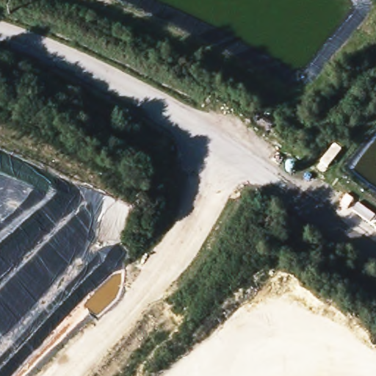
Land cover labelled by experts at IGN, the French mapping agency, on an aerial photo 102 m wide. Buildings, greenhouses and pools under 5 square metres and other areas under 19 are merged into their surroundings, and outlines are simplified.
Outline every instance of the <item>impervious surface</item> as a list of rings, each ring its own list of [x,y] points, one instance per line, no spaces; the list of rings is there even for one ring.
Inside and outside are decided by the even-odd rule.
[[[122,303],[117,305],[115,310],[106,314],[101,313],[98,314],[95,326],[90,326],[84,333],[75,336],[54,357],[47,370],[38,373],[37,376],[91,376],[103,364],[107,351],[137,326],[142,311],[148,310],[147,305],[166,298],[178,291],[176,279],[197,256],[228,198],[239,198],[245,184],[263,185],[279,181],[279,154],[279,153],[272,153],[267,142],[257,137],[251,126],[242,125],[241,120],[234,115],[201,112],[197,109],[181,103],[172,95],[145,84],[115,66],[95,59],[90,54],[47,38],[50,28],[47,26],[35,25],[26,32],[21,26],[0,22],[0,50],[7,51],[16,59],[29,63],[46,75],[65,76],[70,84],[70,91],[79,93],[84,90],[106,98],[113,109],[117,107],[122,112],[125,122],[140,123],[137,131],[120,129],[115,138],[122,141],[128,150],[134,148],[150,157],[154,170],[147,189],[148,200],[159,200],[159,206],[154,207],[160,211],[159,220],[164,220],[170,229],[162,241],[153,248],[153,254],[145,253],[135,263],[141,270],[137,281],[132,283]]]
[[[370,129],[369,134],[372,138],[361,147],[351,162],[351,169],[355,167],[376,142],[376,129]]]

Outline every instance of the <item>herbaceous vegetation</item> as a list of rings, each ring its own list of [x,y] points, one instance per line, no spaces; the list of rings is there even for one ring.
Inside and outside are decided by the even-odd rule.
[[[19,0],[0,0],[0,22],[21,26],[26,32],[35,25],[47,26],[50,28],[47,38],[90,54],[95,59],[115,66],[145,84],[172,95],[181,103],[197,109],[203,100],[206,100],[201,94],[201,88],[188,82],[187,78],[175,78],[167,70],[167,66],[157,62],[154,50],[148,51],[148,59],[135,57],[132,48],[125,48],[125,51],[122,51],[122,48],[117,46],[107,46],[104,38],[82,32],[72,23],[60,21],[59,18],[37,10],[23,9]]]
[[[376,109],[372,115],[358,119],[357,125],[350,131],[351,141],[341,148],[325,170],[326,184],[330,185],[333,179],[338,179],[351,195],[352,192],[358,192],[361,185],[345,175],[345,164],[351,162],[361,147],[372,138],[369,134],[370,129],[376,129]]]
[[[0,151],[38,169],[48,170],[53,167],[69,178],[79,176],[79,181],[93,184],[95,188],[103,188],[100,181],[101,172],[93,172],[82,163],[70,162],[68,156],[63,156],[51,145],[44,145],[37,138],[31,140],[29,137],[23,137],[21,132],[15,129],[0,126]]]
[[[376,4],[373,4],[367,18],[354,29],[347,43],[339,50],[341,53],[354,53],[366,48],[370,53],[370,60],[376,63]]]
[[[154,345],[159,345],[160,350],[157,351],[154,360],[144,367],[145,372],[160,373],[170,369],[182,355],[192,351],[194,345],[206,341],[217,326],[226,322],[222,303],[226,298],[232,297],[238,289],[250,288],[254,282],[254,273],[258,270],[275,270],[279,261],[278,248],[266,245],[264,254],[260,254],[254,244],[254,235],[258,229],[269,228],[272,223],[272,217],[267,214],[270,200],[260,195],[260,209],[257,210],[239,198],[228,198],[197,256],[176,279],[178,291],[166,298],[166,303],[170,304],[173,313],[184,319],[181,328],[173,339],[169,339],[167,330],[153,330],[148,338],[142,341],[141,347],[129,357],[128,366],[113,376],[135,376],[141,361],[150,354]]]
[[[308,150],[303,142],[294,144],[288,138],[279,138],[279,153],[279,154],[285,153],[286,159],[291,159],[292,163],[305,157]]]

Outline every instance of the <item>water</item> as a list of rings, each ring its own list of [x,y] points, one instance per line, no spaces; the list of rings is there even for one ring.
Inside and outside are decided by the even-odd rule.
[[[376,188],[376,142],[355,167],[369,178],[367,182]]]
[[[91,291],[93,297],[85,305],[88,313],[95,311],[98,314],[101,313],[116,297],[119,289],[120,275],[115,270]]]
[[[213,25],[231,25],[235,34],[244,38],[247,43],[267,47],[273,56],[279,57],[292,68],[303,70],[308,68],[330,35],[354,10],[354,0],[170,0],[172,6]]]

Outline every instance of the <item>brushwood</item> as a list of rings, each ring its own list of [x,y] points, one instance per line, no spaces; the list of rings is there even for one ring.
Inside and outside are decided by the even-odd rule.
[[[376,109],[376,63],[370,60],[370,53],[366,48],[354,53],[341,53],[339,50],[326,63],[317,78],[305,87],[300,106],[288,107],[282,104],[276,109],[269,109],[270,115],[275,119],[270,122],[270,126],[275,128],[279,138],[288,138],[294,144],[303,142],[308,150],[305,157],[313,166],[317,164],[330,145],[338,144],[341,148],[351,141],[350,131],[357,125],[358,119],[372,115]]]
[[[260,195],[258,189],[263,185],[245,184],[239,198],[257,210],[260,209]]]
[[[123,266],[135,263],[145,253],[153,254],[153,248],[162,241],[170,229],[164,220],[159,220],[160,211],[154,207],[159,206],[159,200],[148,200],[147,189],[126,187],[122,184],[119,173],[110,172],[93,160],[79,160],[75,153],[66,150],[65,144],[60,140],[60,131],[51,137],[41,134],[40,125],[34,120],[13,119],[10,109],[0,107],[0,126],[15,129],[21,132],[23,137],[29,137],[31,140],[37,138],[44,145],[51,145],[63,156],[68,156],[70,162],[82,163],[93,172],[101,172],[100,181],[103,188],[110,189],[110,197],[125,201],[131,206],[132,210],[126,217],[125,228],[120,234],[119,245],[126,251]]]
[[[376,344],[376,263],[369,257],[369,250],[358,236],[351,238],[341,231],[329,231],[317,220],[307,226],[310,220],[307,217],[286,213],[278,200],[270,200],[267,214],[272,217],[272,223],[269,228],[258,229],[254,235],[254,244],[260,254],[264,254],[266,245],[278,248],[279,261],[275,270],[292,273],[303,288],[313,292],[314,297],[319,300],[330,298],[342,313],[354,314],[361,328],[367,329],[370,339]]]
[[[132,48],[135,57],[148,59],[148,51],[154,50],[157,62],[167,66],[167,70],[175,78],[187,78],[188,82],[201,88],[201,94],[206,100],[203,100],[197,109],[201,112],[234,115],[241,120],[247,119],[248,113],[257,109],[258,98],[256,95],[248,94],[242,85],[234,88],[226,84],[220,73],[207,72],[206,69],[200,68],[203,48],[197,48],[194,54],[189,54],[184,59],[163,41],[157,43],[148,35],[131,37],[131,32],[126,26],[101,19],[75,1],[62,0],[19,0],[23,9],[37,10],[59,18],[60,21],[72,23],[82,32],[104,38],[107,46],[117,46],[122,48],[122,51],[125,51],[125,48]]]

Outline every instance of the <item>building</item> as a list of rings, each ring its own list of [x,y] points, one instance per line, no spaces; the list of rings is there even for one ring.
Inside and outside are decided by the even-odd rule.
[[[325,170],[341,148],[338,144],[330,145],[317,164],[319,170]]]

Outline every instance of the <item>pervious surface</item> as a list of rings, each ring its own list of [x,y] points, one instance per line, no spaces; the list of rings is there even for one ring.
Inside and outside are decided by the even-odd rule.
[[[54,357],[75,336],[84,333],[90,326],[95,326],[98,314],[95,311],[88,313],[85,305],[93,297],[91,291],[115,270],[120,275],[119,289],[116,297],[101,313],[106,314],[115,310],[117,305],[122,303],[132,283],[137,281],[141,270],[135,263],[123,266],[126,251],[119,245],[120,234],[125,228],[126,217],[132,210],[131,206],[125,201],[110,197],[110,189],[103,188],[95,188],[93,184],[79,181],[79,176],[69,178],[53,167],[48,170],[38,169],[0,151],[0,376],[37,376],[38,373],[47,370]]]
[[[303,288],[292,273],[275,270],[258,270],[254,273],[254,282],[250,288],[238,289],[232,297],[226,298],[222,303],[226,322],[217,326],[206,341],[194,345],[192,351],[182,355],[170,369],[160,373],[145,372],[144,367],[154,360],[157,351],[160,350],[159,345],[154,345],[150,354],[141,361],[135,376],[376,376],[376,344],[370,339],[367,329],[361,328],[354,314],[342,313],[330,298],[319,300],[314,297],[313,292]]]
[[[241,120],[242,125],[251,126],[257,137],[267,142],[272,153],[279,153],[279,138],[275,128],[270,126],[270,122],[275,119],[270,115],[269,109],[276,109],[282,104],[288,107],[300,106],[305,87],[317,78],[326,63],[339,50],[347,43],[354,29],[367,18],[373,4],[376,4],[376,0],[354,0],[354,10],[330,35],[308,68],[303,70],[292,68],[279,57],[273,56],[267,47],[247,43],[244,38],[235,34],[231,25],[213,25],[172,6],[170,0],[62,0],[75,1],[101,19],[126,26],[131,32],[131,37],[148,35],[157,43],[163,41],[184,59],[189,54],[194,54],[197,48],[203,48],[200,68],[206,69],[207,72],[220,73],[226,84],[234,88],[242,85],[248,94],[256,95],[258,98],[257,109],[248,113],[247,119]]]
[[[317,164],[313,166],[305,157],[292,163],[291,159],[286,159],[285,153],[279,154],[279,181],[263,185],[258,189],[260,195],[270,200],[278,200],[286,213],[307,217],[310,220],[307,226],[317,220],[329,231],[341,231],[351,238],[358,236],[369,250],[369,257],[376,263],[376,188],[367,182],[369,178],[355,167],[351,169],[351,162],[345,164],[345,175],[361,185],[358,192],[352,192],[351,195],[338,179],[333,179],[330,185],[326,184],[325,170],[319,170]]]
[[[141,347],[142,341],[148,338],[153,330],[167,330],[169,339],[173,339],[181,328],[184,319],[173,313],[170,304],[166,303],[166,298],[147,305],[148,310],[142,311],[137,326],[107,351],[103,364],[91,376],[113,376],[128,366],[129,357]]]

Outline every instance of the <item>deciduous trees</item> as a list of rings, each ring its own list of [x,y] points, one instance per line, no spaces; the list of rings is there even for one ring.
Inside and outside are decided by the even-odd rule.
[[[122,184],[126,187],[147,189],[154,170],[150,157],[134,148],[128,150],[122,141],[115,138],[120,129],[137,131],[140,123],[125,122],[122,112],[117,107],[113,109],[106,98],[84,90],[79,93],[70,91],[70,84],[65,76],[46,75],[29,63],[16,59],[7,51],[0,50],[0,107],[10,109],[13,119],[34,120],[40,125],[41,134],[51,137],[60,131],[60,140],[65,144],[66,150],[75,153],[79,160],[93,160],[110,172],[119,173]]]

